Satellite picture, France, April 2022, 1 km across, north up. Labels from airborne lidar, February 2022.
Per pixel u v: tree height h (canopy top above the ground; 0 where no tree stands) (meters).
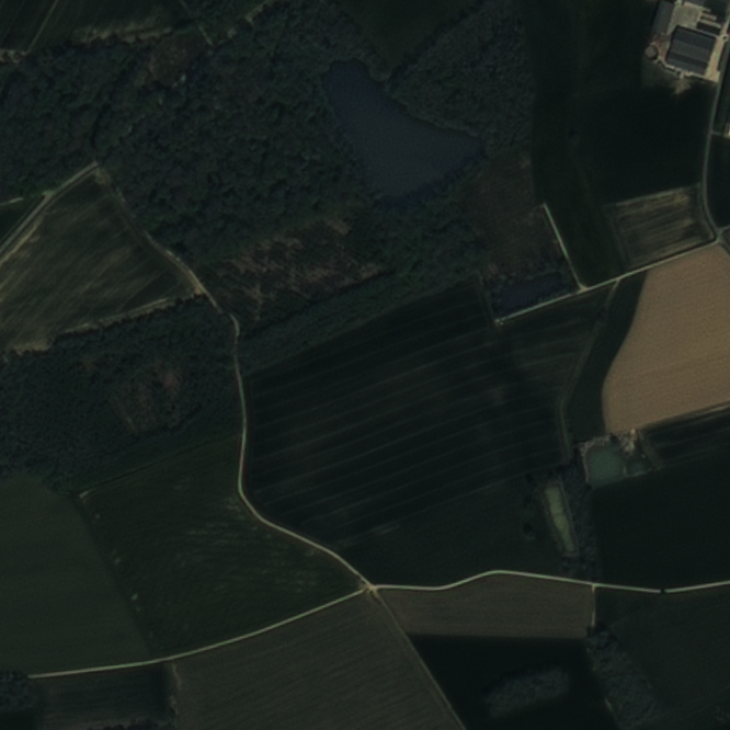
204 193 24
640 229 0
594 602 0
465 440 0
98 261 0
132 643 0
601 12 0
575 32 0
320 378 0
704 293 0
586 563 13
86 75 24
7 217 0
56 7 0
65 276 0
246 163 23
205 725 0
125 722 0
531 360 0
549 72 0
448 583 0
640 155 0
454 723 0
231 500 0
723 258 0
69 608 0
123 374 11
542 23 0
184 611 0
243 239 25
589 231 0
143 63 24
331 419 0
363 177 21
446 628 0
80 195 0
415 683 0
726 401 0
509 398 0
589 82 0
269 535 0
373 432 0
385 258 7
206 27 13
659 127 0
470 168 16
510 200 0
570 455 0
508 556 0
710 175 0
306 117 22
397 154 0
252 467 0
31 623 0
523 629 0
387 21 0
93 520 0
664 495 0
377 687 0
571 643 0
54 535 0
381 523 0
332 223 0
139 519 0
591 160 0
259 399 0
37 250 0
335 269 0
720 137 0
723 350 0
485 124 20
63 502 0
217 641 0
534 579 0
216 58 26
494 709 17
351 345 0
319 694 0
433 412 0
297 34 26
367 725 0
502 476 0
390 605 0
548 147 0
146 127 25
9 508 0
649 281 0
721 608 0
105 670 0
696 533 0
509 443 0
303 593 0
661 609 0
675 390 0
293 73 21
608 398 0
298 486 0
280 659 0
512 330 0
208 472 0
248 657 0
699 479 0
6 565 0
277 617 0
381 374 0
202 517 0
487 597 0
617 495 0
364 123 0
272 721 0
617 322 0
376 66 16
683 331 0
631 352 0
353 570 0
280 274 0
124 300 0
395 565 0
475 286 0
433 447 0
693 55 0
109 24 0
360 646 0
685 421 0
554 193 0
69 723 0
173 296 0
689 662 0
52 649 0
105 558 0
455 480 0
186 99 25
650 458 0
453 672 0
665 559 0
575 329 0
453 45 17
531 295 0
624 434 0
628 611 0
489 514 0
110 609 0
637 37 0
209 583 0
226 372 20
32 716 0
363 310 12
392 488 0
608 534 0
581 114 0
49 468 22
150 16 0
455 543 0
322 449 0
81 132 27
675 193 0
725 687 0
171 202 21
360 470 0
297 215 23
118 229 0
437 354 0
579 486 20
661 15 0
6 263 0
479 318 0
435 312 0
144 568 0
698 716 0
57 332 0
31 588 0
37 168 24
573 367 0
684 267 0
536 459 0
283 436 0
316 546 0
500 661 0
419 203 24
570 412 0
